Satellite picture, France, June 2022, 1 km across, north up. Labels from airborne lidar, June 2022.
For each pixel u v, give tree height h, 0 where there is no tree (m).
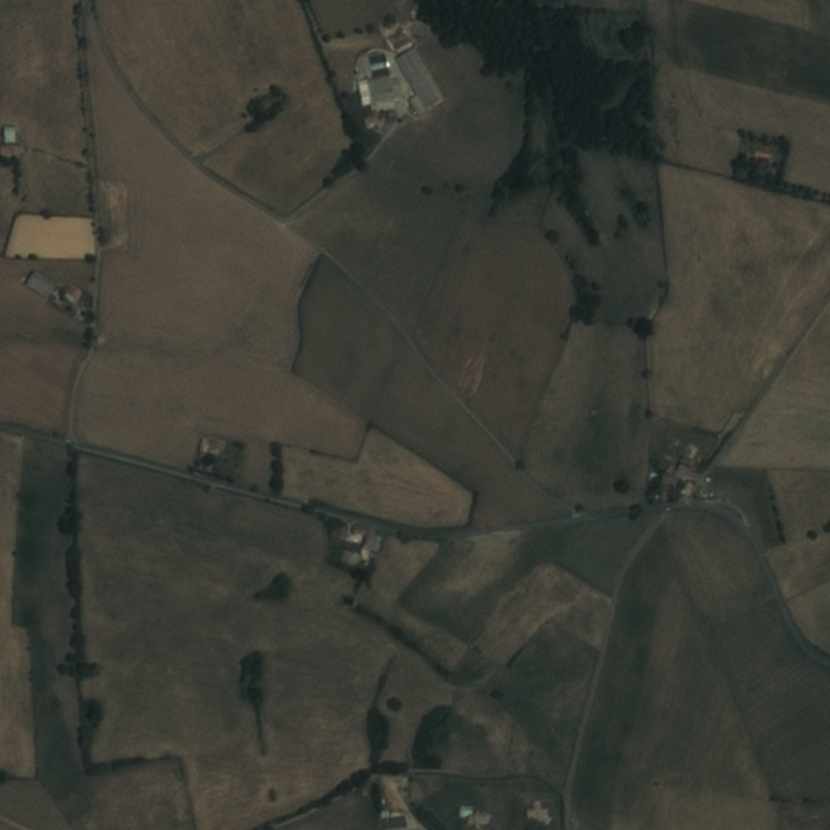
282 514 0
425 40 0
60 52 0
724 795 0
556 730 0
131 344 0
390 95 0
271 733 0
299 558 0
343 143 0
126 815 0
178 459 0
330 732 0
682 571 0
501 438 0
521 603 0
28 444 0
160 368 0
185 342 0
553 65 24
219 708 0
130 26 0
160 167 0
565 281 0
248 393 0
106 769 10
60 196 0
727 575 0
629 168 0
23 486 0
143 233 0
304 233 0
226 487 0
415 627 0
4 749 0
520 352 0
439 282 0
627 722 0
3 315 0
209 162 0
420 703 0
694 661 0
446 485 0
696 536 0
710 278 0
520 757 0
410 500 0
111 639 0
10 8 0
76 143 0
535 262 0
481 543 0
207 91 0
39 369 0
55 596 0
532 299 0
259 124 9
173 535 0
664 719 0
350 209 0
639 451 0
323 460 0
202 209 0
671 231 0
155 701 0
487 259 0
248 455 0
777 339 0
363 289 0
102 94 0
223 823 0
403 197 0
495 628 0
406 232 0
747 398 0
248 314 0
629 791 0
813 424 0
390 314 0
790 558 0
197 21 0
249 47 0
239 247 0
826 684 0
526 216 0
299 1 9
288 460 0
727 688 0
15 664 0
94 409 0
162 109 0
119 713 0
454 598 0
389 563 0
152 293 0
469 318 0
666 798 0
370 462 0
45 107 0
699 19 0
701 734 0
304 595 0
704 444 0
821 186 0
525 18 22
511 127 0
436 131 0
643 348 0
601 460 0
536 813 0
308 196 0
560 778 0
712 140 0
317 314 0
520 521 0
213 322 0
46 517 0
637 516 11
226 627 0
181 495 0
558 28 19
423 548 0
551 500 0
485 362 0
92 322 8
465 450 0
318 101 0
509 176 13
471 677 0
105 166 0
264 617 0
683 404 0
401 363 0
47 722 0
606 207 0
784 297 0
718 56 0
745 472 0
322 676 0
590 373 0
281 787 0
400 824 0
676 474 0
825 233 0
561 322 0
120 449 0
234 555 0
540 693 0
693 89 0
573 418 0
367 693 0
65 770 0
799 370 0
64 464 0
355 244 0
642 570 0
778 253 0
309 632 0
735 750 0
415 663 0
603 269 0
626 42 20
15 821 0
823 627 0
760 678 0
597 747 0
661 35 0
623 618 0
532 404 0
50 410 0
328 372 0
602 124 17
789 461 0
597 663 0
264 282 0
